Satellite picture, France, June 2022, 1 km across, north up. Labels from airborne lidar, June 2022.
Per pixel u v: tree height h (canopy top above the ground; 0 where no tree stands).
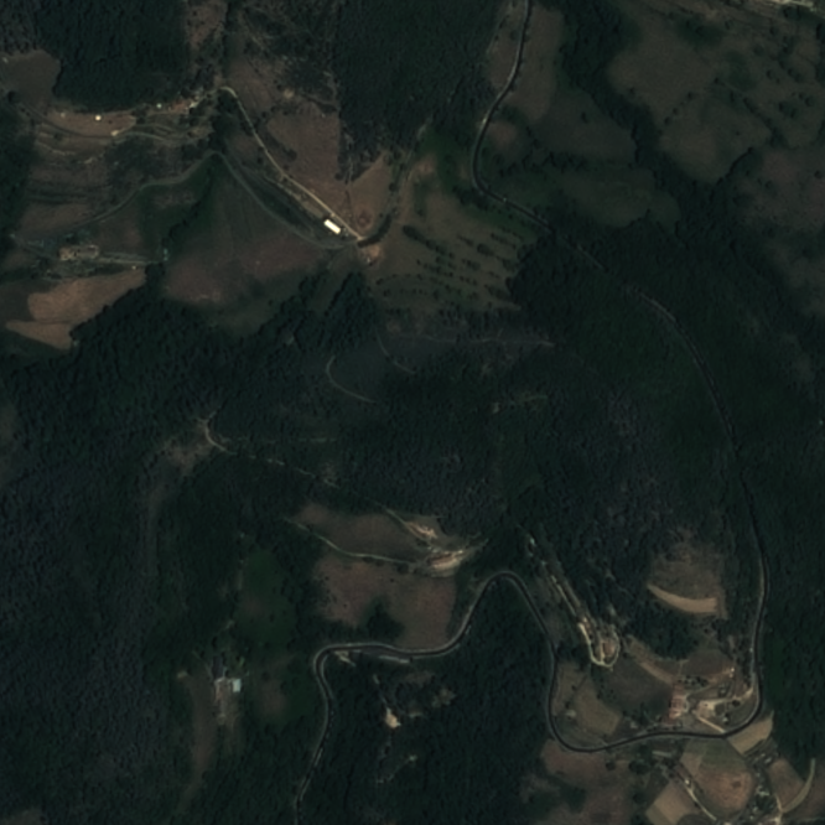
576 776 0
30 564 15
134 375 17
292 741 18
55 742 12
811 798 0
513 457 9
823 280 0
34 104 0
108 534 14
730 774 0
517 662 12
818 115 0
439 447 17
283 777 28
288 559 20
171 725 11
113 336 17
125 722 15
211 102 10
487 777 7
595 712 0
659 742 0
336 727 18
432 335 0
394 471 19
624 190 0
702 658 0
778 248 0
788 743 0
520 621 16
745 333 8
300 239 0
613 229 15
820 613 24
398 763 14
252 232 0
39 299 0
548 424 7
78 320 0
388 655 0
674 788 0
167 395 5
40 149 0
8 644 15
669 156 20
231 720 0
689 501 14
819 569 14
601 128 0
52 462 13
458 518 7
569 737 0
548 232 7
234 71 0
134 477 6
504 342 0
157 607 6
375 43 19
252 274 0
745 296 9
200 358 13
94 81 17
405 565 7
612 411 9
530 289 23
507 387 20
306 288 12
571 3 24
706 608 0
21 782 18
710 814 0
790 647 14
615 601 12
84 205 0
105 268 7
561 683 0
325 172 0
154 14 20
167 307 16
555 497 11
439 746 19
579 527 13
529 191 0
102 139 0
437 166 0
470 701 25
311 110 0
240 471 16
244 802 25
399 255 0
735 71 0
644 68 0
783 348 6
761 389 15
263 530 17
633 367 13
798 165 0
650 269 21
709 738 0
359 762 26
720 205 11
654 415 9
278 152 0
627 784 0
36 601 8
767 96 0
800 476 22
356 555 0
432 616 0
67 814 13
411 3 19
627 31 20
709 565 0
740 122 0
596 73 21
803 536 18
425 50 16
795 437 19
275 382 13
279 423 9
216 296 0
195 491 15
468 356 9
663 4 0
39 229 0
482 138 0
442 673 11
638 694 0
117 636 18
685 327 13
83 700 14
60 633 13
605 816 0
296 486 13
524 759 14
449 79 15
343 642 11
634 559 14
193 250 0
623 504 13
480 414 15
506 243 8
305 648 12
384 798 14
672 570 0
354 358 0
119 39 29
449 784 10
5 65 0
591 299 27
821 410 12
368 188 0
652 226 20
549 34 0
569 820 0
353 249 0
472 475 14
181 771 6
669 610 6
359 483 12
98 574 8
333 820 20
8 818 13
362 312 15
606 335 16
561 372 13
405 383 7
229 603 8
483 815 17
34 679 21
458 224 0
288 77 0
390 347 0
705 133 0
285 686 12
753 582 10
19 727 18
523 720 13
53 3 28
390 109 13
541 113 0
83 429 13
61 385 19
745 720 0
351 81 14
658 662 0
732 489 18
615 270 23
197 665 10
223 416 9
